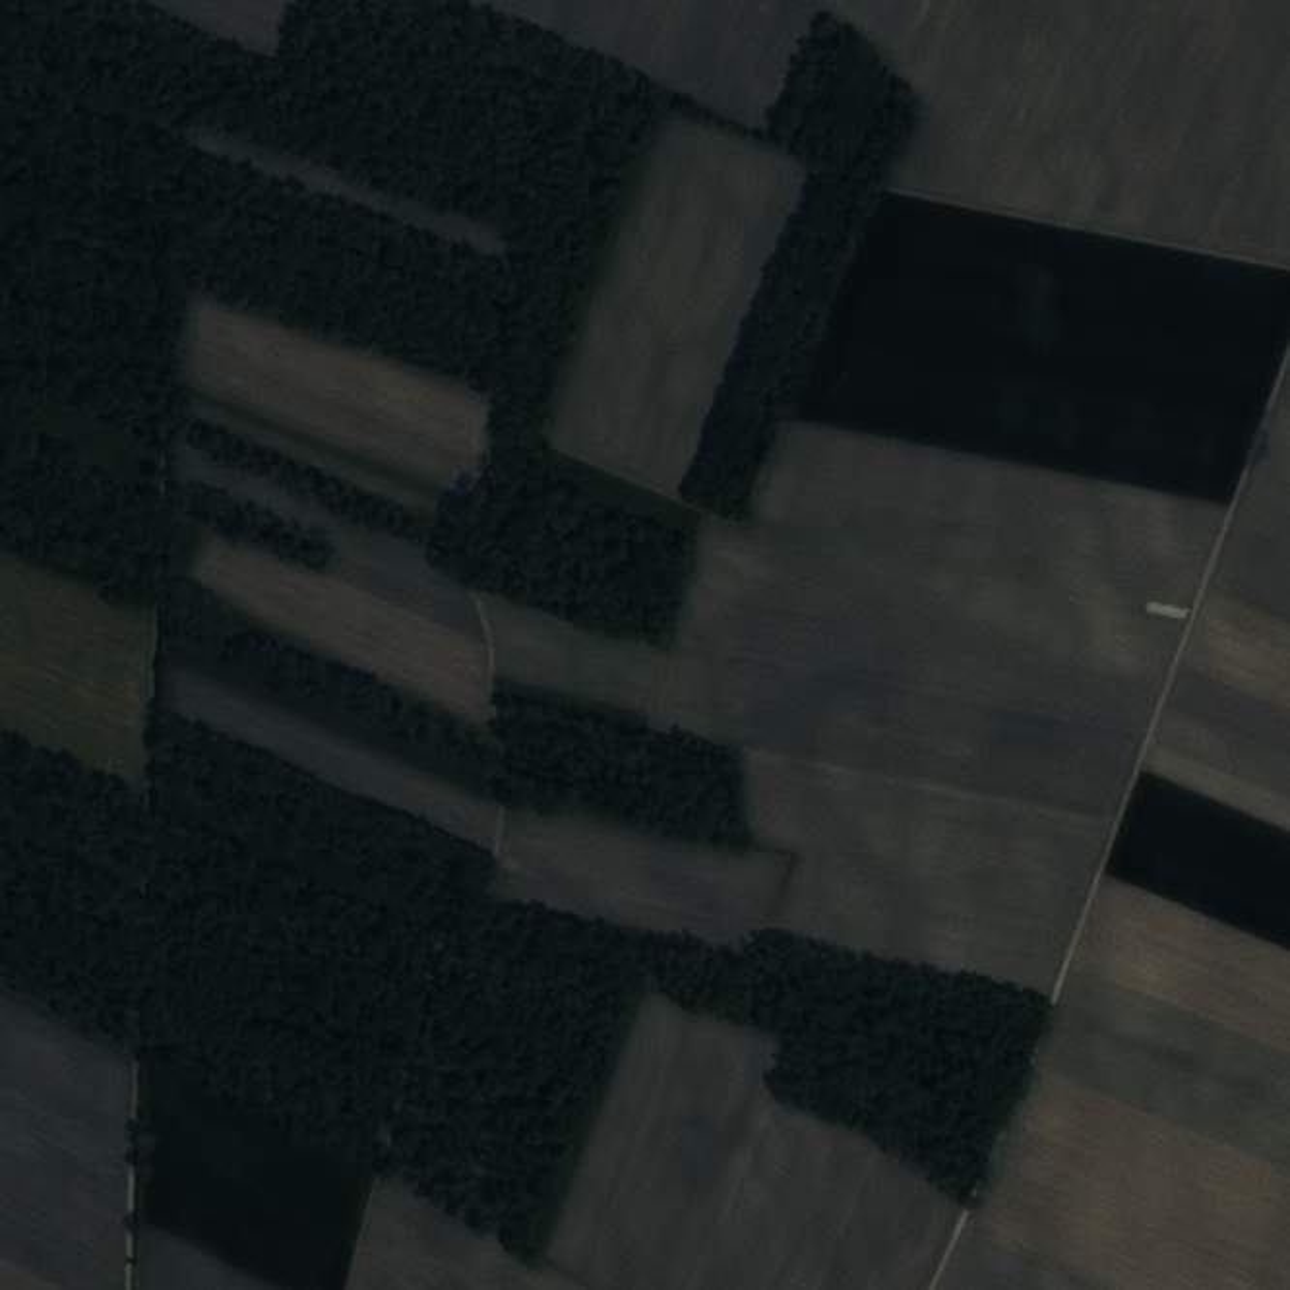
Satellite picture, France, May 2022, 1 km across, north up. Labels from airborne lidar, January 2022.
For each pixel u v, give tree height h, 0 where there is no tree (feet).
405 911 0
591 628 64
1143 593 0
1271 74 0
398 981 75
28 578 0
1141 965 0
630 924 0
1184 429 0
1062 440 0
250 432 0
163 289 92
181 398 81
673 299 0
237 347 0
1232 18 0
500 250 0
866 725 0
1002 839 0
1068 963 0
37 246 106
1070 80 0
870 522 0
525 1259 52
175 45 82
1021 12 0
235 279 71
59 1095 0
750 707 0
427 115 72
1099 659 0
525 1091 41
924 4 0
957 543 0
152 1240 0
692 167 0
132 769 0
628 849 0
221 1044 72
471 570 76
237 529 74
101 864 0
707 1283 0
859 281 0
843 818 0
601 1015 64
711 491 63
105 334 74
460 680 0
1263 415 0
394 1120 77
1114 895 0
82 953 87
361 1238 0
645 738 25
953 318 0
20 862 81
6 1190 0
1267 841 0
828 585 0
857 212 68
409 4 70
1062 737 0
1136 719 0
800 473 0
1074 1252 0
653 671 0
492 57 66
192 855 49
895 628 0
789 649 0
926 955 0
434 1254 0
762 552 0
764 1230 0
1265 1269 0
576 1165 0
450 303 70
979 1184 58
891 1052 84
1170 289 0
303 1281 0
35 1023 0
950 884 0
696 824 73
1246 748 0
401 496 0
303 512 0
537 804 76
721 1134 0
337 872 0
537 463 74
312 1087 85
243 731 0
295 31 64
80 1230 0
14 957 59
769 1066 0
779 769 0
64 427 0
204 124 55
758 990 31
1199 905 0
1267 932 0
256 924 32
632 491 0
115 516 77
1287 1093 0
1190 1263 0
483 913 81
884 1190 0
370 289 79
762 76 0
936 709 0
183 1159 0
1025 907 0
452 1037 56
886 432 0
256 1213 0
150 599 64
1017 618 0
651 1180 0
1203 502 0
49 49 88
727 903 0
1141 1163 0
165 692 29
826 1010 69
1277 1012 0
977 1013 64
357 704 84
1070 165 0
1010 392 0
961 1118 78
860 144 82
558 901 0
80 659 0
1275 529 0
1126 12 0
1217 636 0
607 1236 0
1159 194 0
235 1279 0
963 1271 0
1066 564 0
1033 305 0
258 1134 0
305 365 0
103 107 0
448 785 0
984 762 0
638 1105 0
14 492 68
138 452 0
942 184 0
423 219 0
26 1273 0
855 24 0
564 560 73
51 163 70
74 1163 0
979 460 0
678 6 0
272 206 56
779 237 0
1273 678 0
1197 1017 0
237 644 34
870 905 0
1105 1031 0
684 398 0
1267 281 0
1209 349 0
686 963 83
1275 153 0
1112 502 0
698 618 0
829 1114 62
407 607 0
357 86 43
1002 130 0
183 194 62
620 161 71
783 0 0
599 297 0
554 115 0
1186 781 0
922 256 0
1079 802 0
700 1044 0
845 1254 0
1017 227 0
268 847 0
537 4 0
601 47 0
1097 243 0
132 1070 0
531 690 0
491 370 74
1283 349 0
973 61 0
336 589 0
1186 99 0
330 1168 0
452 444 0
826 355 0
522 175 89
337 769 0
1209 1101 0
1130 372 0
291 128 46
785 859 0
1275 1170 0
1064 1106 0
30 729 0
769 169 0
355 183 54
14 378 91
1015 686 0
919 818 0
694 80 0
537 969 80
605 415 0
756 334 64
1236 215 0
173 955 24
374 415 0
